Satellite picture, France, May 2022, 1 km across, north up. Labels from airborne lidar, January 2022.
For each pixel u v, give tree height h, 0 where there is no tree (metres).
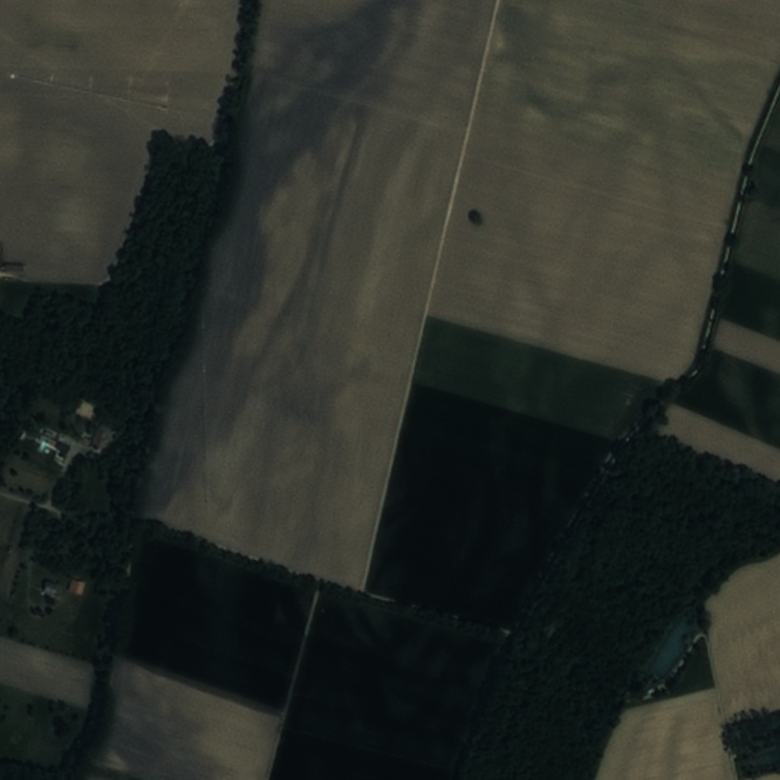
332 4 0
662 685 0
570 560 19
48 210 0
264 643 0
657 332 0
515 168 0
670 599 18
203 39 0
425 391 0
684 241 0
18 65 0
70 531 12
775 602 0
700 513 8
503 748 16
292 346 0
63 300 11
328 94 0
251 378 0
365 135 0
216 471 0
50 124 0
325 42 0
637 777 0
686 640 6
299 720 0
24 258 0
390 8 0
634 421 0
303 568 0
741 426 0
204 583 0
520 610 0
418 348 0
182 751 0
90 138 0
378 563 0
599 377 0
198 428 0
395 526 0
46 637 0
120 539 20
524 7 0
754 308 0
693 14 0
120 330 14
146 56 0
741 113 0
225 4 0
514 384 0
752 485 19
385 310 0
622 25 0
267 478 0
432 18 0
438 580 0
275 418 0
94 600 0
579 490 0
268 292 0
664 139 0
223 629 0
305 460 0
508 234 0
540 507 0
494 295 0
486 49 0
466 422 0
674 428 0
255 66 0
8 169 0
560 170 0
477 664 0
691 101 0
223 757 0
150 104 0
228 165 34
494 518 0
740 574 0
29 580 0
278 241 0
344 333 0
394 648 0
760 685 0
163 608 0
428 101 0
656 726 0
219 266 0
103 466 13
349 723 0
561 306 0
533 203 0
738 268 0
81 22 0
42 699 0
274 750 0
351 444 0
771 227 0
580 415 0
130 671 0
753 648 0
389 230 0
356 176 0
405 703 0
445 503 0
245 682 0
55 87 0
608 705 17
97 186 0
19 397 14
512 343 0
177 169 16
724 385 0
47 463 0
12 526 0
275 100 0
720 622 0
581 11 0
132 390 18
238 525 0
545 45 0
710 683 0
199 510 0
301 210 0
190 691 0
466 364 0
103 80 0
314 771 0
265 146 0
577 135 0
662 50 0
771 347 0
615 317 0
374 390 0
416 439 0
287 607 0
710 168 0
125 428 22
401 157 0
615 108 0
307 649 0
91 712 12
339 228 0
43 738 0
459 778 14
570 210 0
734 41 0
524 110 0
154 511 0
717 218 0
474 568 0
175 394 0
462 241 0
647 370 0
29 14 0
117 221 0
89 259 0
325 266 0
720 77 0
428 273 0
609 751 0
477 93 0
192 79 0
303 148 0
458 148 0
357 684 0
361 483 0
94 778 0
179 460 0
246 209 0
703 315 0
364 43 0
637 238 0
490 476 0
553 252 0
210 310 0
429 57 0
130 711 0
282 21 0
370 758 0
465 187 0
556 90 0
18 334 11
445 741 0
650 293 0
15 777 22
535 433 0
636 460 0
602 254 0
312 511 0
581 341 0
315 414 0
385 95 0
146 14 0
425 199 0
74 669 0
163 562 0
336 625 0
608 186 0
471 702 0
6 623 0
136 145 0
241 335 0
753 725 26
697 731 0
